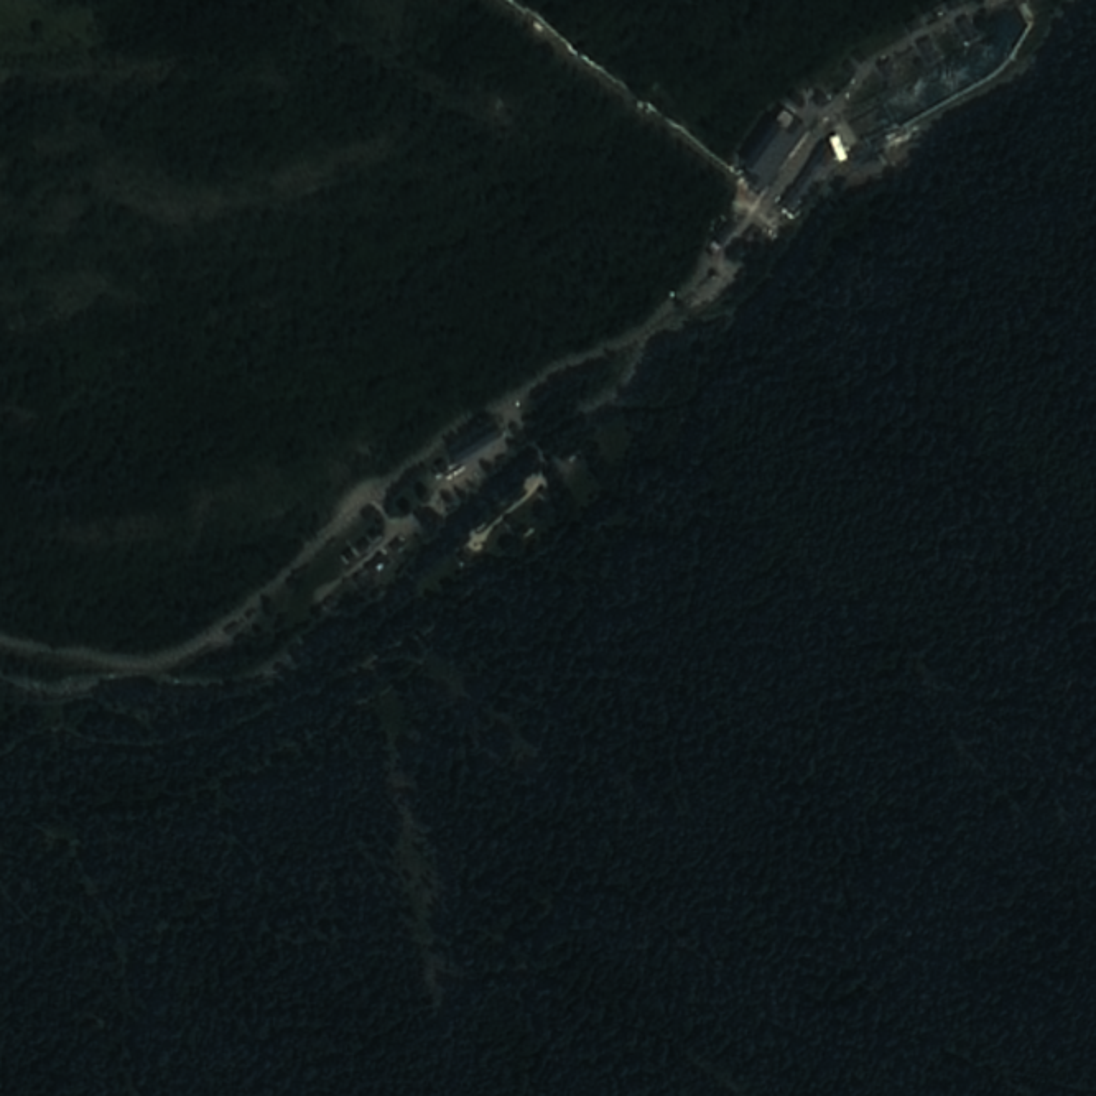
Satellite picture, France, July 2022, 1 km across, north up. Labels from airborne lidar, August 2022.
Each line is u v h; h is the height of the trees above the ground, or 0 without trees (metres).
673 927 25
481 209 18
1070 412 19
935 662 13
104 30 8
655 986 21
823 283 10
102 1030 23
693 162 25
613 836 26
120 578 12
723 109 8
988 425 15
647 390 23
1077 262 25
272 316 13
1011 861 18
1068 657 19
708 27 19
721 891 23
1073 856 17
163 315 12
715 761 21
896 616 16
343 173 10
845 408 29
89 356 9
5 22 0
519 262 19
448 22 12
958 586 24
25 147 7
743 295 14
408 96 21
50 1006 20
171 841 23
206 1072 23
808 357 29
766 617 27
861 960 25
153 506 14
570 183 21
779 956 24
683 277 12
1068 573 22
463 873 16
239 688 19
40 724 16
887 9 25
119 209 6
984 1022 15
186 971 17
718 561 14
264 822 28
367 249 18
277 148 17
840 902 23
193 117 9
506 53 22
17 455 16
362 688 11
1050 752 26
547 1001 31
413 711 14
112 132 16
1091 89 22
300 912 19
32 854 21
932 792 15
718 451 18
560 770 11
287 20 9
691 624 19
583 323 17
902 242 28
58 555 11
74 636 20
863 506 14
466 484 0
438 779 28
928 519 23
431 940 0
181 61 9
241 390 22
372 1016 24
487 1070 18
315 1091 25
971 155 30
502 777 27
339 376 19
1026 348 24
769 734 10
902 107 0
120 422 17
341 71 10
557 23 21
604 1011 22
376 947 24
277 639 8
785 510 17
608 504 15
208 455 16
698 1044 18
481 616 7
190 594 18
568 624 8
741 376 34
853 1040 21
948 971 21
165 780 23
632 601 27
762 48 32
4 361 10
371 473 11
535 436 19
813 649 15
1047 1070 15
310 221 14
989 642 19
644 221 23
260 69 7
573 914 24
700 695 11
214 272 7
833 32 16
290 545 13
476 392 16
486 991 21
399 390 19
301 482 8
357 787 14
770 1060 21
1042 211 18
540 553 13
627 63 17
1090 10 21
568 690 18
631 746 23
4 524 16
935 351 27
